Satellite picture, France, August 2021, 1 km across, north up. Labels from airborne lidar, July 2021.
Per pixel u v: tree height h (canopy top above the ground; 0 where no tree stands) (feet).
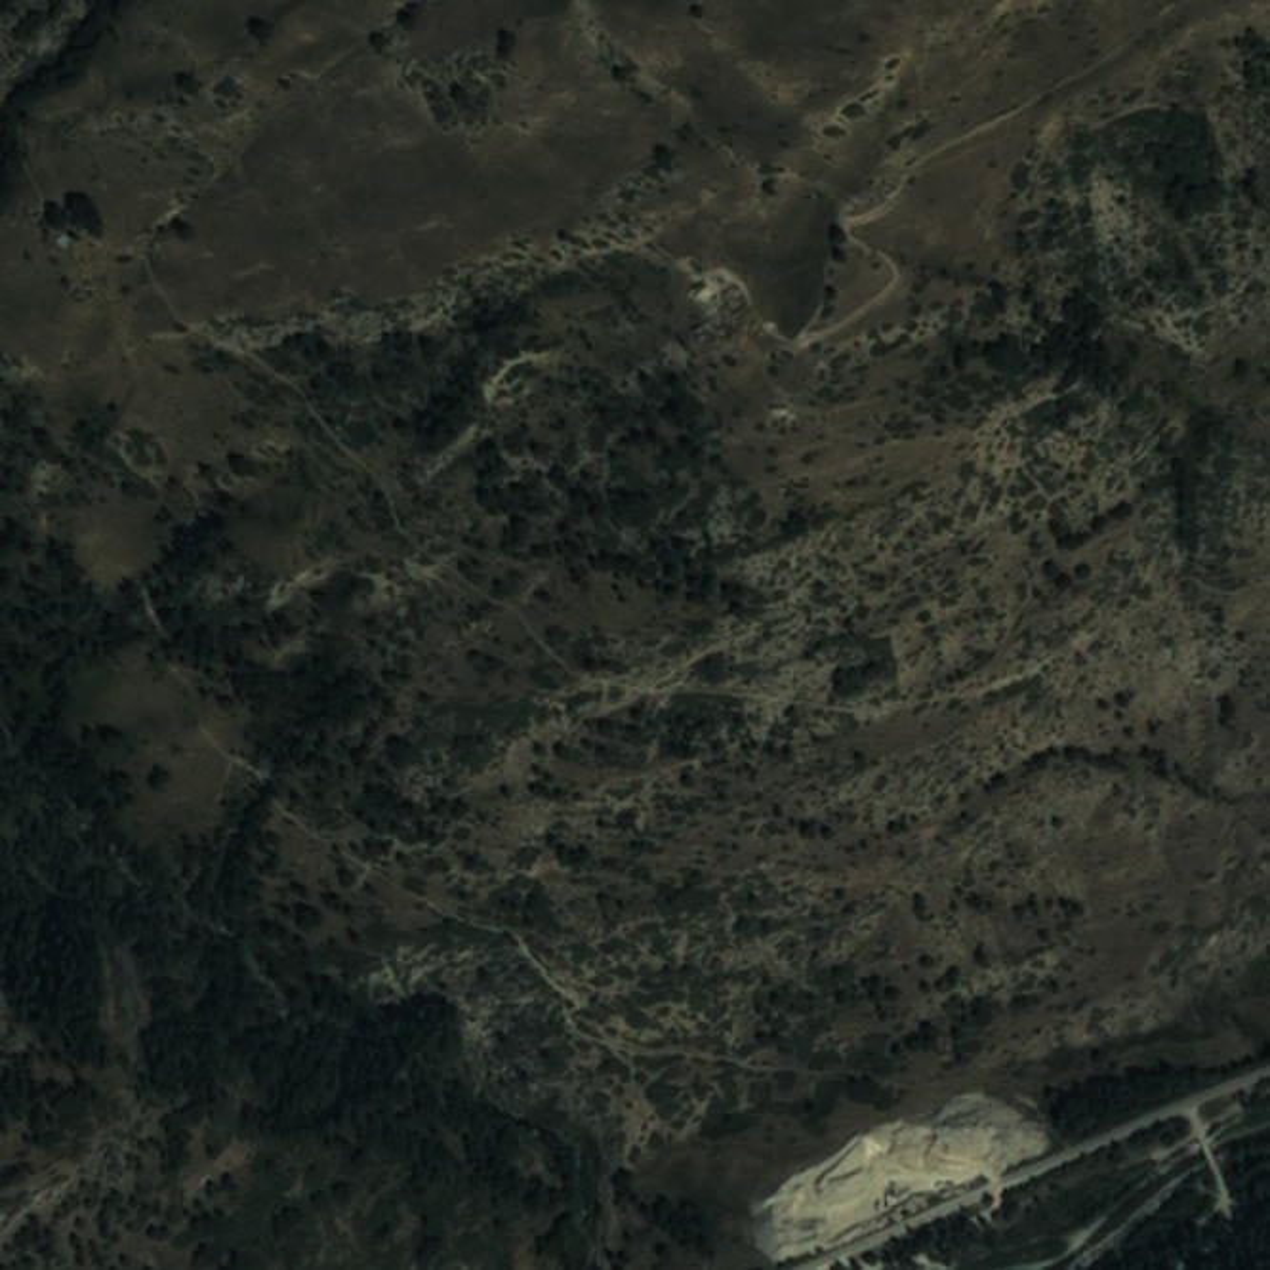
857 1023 0
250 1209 0
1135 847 0
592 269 0
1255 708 0
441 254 0
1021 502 0
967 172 0
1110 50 0
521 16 0
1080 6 0
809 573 0
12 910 76
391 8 0
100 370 0
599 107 0
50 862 23
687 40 0
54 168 0
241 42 0
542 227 0
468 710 0
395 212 0
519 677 0
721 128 0
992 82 0
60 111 0
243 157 0
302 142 0
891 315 0
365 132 0
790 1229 0
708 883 0
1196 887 0
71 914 68
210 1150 18
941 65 0
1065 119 0
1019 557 0
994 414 0
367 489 0
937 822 0
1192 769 0
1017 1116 0
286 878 0
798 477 0
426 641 0
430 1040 43
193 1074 67
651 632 0
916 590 0
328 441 0
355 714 37
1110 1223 0
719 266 0
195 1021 40
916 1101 0
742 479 0
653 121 0
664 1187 0
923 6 0
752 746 30
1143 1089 52
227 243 0
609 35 0
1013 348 37
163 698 0
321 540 0
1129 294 26
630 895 0
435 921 0
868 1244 0
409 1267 0
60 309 0
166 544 0
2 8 20
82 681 0
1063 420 28
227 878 30
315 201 0
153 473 0
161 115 0
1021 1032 0
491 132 0
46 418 0
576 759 0
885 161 0
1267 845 0
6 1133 65
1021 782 0
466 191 0
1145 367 0
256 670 47
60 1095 54
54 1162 0
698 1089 0
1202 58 0
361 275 0
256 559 0
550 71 0
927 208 0
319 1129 29
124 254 0
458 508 0
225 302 0
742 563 0
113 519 0
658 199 0
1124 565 0
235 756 0
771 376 0
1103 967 0
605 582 0
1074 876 0
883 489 0
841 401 0
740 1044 0
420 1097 42
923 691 0
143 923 47
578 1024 0
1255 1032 0
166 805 0
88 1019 34
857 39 0
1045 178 0
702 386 0
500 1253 0
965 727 0
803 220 0
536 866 0
